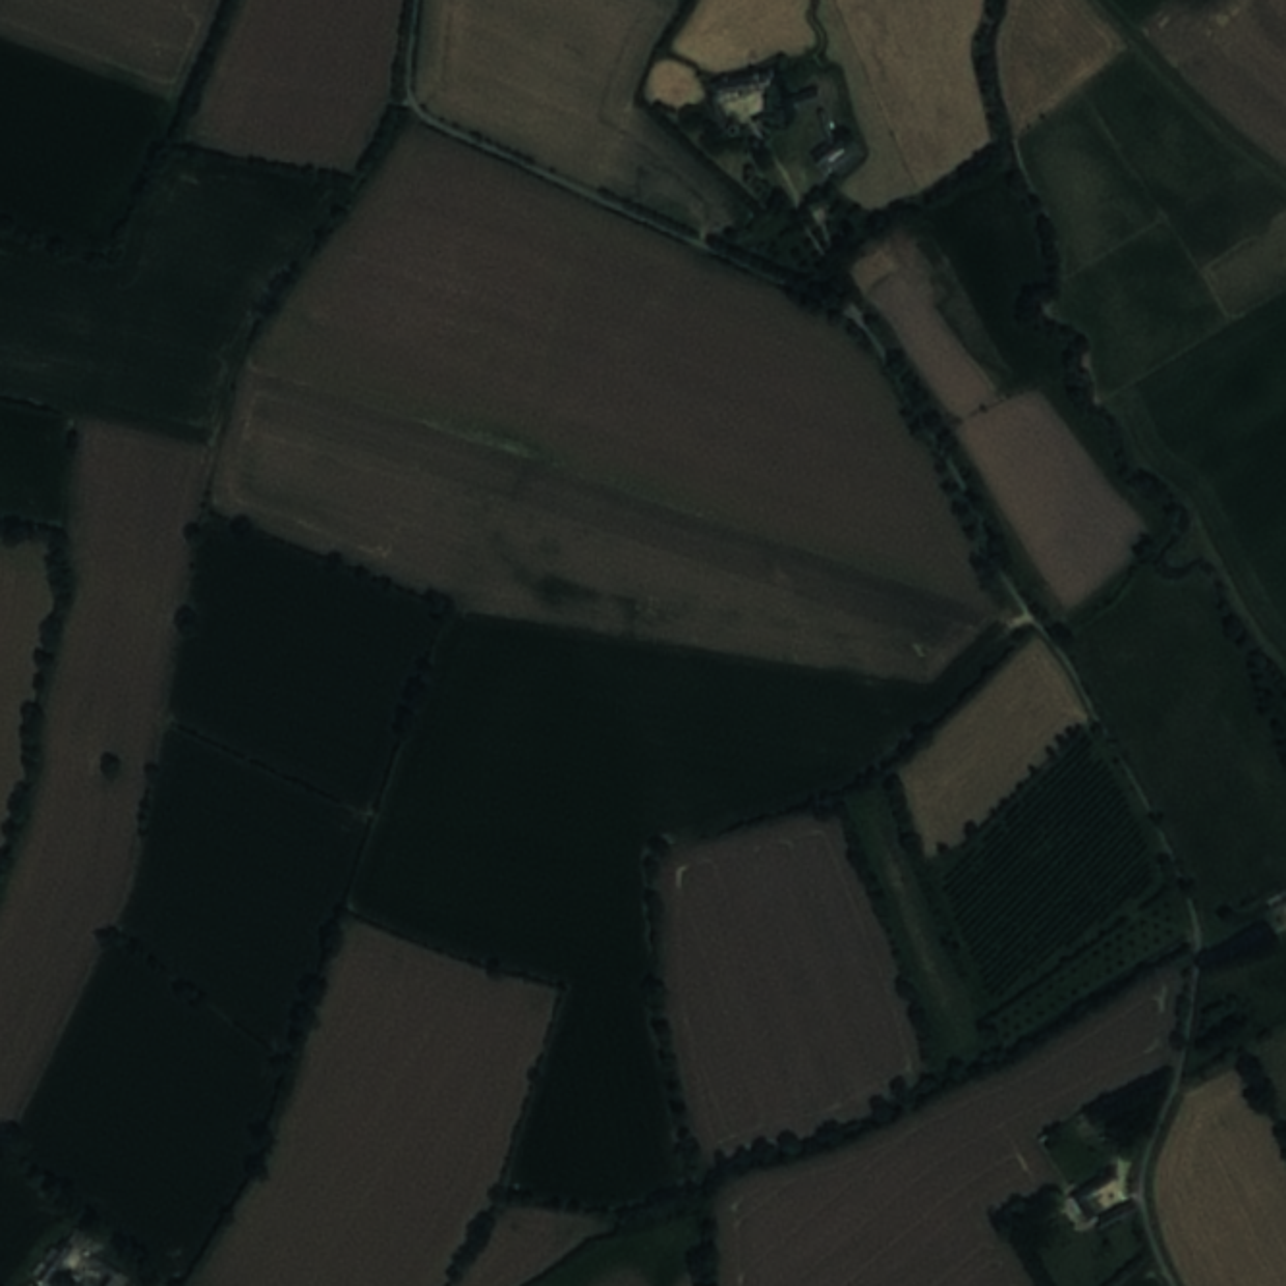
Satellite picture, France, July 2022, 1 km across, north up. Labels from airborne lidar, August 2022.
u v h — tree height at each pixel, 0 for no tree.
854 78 0
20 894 0
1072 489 0
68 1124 0
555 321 0
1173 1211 0
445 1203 0
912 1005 7
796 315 0
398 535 0
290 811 0
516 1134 7
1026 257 0
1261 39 0
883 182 0
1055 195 0
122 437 0
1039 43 0
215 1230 7
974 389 0
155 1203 0
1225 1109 0
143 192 19
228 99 0
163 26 0
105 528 0
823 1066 0
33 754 13
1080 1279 0
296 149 0
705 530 0
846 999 0
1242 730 0
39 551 0
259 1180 8
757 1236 0
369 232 0
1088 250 0
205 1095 0
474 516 0
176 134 9
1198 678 0
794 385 0
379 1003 0
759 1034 0
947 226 0
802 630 0
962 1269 0
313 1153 0
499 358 0
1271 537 0
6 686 0
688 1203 13
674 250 0
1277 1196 0
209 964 0
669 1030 15
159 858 0
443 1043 0
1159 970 6
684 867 0
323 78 0
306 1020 18
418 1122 0
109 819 0
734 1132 0
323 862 0
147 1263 25
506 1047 0
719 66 0
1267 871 0
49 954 0
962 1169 0
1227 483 0
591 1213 7
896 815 14
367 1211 0
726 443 0
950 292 0
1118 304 0
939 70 0
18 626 0
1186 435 0
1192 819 0
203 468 0
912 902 0
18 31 0
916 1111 13
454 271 0
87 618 0
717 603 0
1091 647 0
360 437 0
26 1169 8
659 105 7
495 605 0
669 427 0
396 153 0
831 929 0
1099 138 0
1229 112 0
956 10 0
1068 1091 0
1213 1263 0
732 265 6
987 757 0
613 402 0
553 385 0
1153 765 0
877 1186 0
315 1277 0
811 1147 12
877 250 0
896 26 0
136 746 0
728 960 0
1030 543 0
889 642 0
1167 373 0
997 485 0
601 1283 0
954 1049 0
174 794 0
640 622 0
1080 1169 0
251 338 6
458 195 0
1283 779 0
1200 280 0
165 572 0
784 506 0
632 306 0
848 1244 0
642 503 0
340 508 0
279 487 0
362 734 0
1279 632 0
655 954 6
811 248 6
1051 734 0
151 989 0
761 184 6
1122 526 0
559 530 0
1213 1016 7
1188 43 0
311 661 0
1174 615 0
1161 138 0
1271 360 0
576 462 0
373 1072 0
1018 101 0
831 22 0
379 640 0
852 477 0
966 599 0
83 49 0
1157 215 0
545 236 0
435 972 0
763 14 0
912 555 0
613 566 0
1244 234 0
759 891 0
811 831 0
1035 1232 12
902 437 0
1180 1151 0
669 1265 0
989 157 16
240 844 0
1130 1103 18
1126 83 0
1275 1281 0
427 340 0
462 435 0
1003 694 0
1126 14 0
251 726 0
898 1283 0
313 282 0
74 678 0
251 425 0
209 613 0
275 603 0
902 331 0
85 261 12
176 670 0
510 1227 0
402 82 7
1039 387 0
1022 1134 0
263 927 0
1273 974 0
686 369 0
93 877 0
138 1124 0
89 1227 24
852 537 0
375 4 0
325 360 0
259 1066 0
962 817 0
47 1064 0
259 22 0
